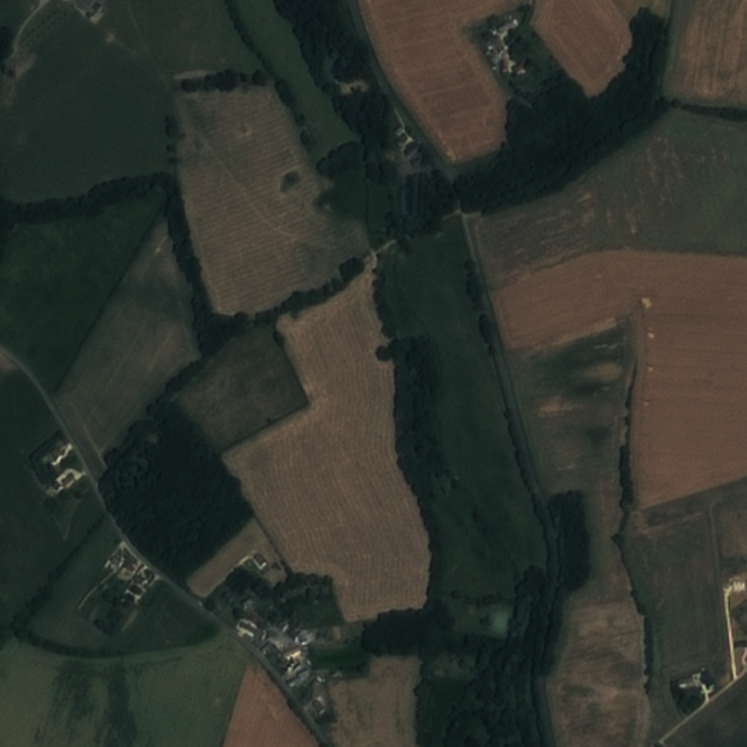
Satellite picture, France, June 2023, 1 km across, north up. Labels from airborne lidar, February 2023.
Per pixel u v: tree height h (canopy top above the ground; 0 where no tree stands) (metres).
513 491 0
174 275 0
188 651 0
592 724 0
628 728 0
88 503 0
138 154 0
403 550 0
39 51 0
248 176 0
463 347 0
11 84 0
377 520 0
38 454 10
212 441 0
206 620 0
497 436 0
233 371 0
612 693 0
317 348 0
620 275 0
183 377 10
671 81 0
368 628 14
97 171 0
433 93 0
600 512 0
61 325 0
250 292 0
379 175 20
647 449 0
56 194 0
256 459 0
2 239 23
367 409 0
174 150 14
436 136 0
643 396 0
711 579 0
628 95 15
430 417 18
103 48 0
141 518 16
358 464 0
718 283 0
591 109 17
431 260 0
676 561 0
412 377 20
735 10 0
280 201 0
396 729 0
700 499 0
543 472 0
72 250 0
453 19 0
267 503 0
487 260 0
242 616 16
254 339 0
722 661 0
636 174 0
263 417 0
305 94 0
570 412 0
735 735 0
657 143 0
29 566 0
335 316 0
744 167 0
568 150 9
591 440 0
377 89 8
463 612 0
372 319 0
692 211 0
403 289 0
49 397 0
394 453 0
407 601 0
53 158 0
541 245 0
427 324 0
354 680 0
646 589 0
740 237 0
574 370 0
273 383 0
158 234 0
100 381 0
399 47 0
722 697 0
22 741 0
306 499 0
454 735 14
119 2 0
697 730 0
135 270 0
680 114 0
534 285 0
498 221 0
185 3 0
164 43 0
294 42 0
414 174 0
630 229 0
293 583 15
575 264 0
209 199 0
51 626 0
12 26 0
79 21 0
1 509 0
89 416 0
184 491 13
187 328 0
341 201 0
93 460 0
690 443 0
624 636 0
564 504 16
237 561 0
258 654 0
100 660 0
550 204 0
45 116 0
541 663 15
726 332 0
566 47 0
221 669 0
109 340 0
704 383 0
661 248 0
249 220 0
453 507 0
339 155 17
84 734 0
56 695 0
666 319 0
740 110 7
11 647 0
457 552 0
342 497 0
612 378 0
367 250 0
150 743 0
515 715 17
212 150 0
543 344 0
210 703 0
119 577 0
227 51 0
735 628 0
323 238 0
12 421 0
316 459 0
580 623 0
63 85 0
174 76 0
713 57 0
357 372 0
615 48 0
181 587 7
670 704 0
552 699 0
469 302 0
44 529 0
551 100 21
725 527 0
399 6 0
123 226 0
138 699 0
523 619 21
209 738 0
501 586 0
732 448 0
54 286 0
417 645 20
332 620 0
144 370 0
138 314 0
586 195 0
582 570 13
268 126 0
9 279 0
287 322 0
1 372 0
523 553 0
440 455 17
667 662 0
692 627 0
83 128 0
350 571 0
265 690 0
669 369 0
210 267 0
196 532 12
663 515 0
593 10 0
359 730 0
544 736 11
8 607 0
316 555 0
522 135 16
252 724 0
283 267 0
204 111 0
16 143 0
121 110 0
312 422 0
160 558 7
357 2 0
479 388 0
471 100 0
